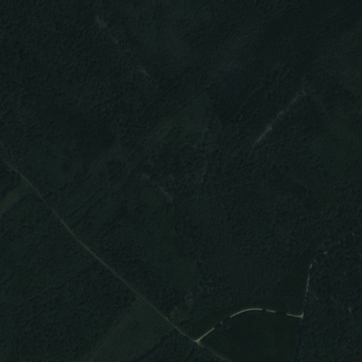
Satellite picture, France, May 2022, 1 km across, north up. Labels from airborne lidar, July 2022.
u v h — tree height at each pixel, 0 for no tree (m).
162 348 18
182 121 21
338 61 21
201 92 17
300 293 9
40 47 27
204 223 34
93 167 17
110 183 17
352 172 13
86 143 29
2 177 28
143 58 27
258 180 25
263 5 27
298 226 29
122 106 30
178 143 14
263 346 10
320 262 24
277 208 31
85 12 26
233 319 9
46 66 23
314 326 28
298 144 23
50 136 27
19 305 19
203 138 25
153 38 21
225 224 32
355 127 20
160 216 14
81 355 16
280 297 18
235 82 23
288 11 20
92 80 19
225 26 19
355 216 25
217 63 20
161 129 22
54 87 15
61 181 12
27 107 29
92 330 23
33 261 14
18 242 18
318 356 26
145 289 22
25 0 30
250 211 33
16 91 25
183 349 21
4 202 0
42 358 23
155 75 29
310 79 29
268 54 21
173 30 23
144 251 11
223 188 32
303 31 19
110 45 26
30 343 29
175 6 21
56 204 27
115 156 22
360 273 27
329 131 22
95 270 26
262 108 29
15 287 20
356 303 36
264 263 26
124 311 16
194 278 13
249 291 17
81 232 28
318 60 21
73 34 31
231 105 27
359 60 19
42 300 24
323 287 27
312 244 26
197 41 20
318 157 15
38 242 20
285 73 23
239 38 20
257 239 21
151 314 0
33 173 27
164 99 26
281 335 10
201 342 8
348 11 27
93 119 20
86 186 17
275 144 18
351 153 11
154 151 26
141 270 29
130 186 21
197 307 28
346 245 26
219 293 26
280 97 24
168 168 27
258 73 25
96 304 25
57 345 30
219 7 19
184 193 31
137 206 26
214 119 21
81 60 16
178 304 27
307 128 30
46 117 27
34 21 25
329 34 22
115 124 17
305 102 29
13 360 21
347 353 28
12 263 15
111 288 23
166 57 17
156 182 23
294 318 9
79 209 21
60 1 21
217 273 32
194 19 24
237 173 30
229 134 27
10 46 17
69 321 23
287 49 22
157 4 21
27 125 24
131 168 20
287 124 29
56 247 14
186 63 20
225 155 27
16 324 15
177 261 11
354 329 26
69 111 30
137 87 25
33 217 29
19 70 27
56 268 10
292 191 33
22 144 20
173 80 27
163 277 13
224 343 8
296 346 11
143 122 19
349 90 16
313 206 31
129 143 21
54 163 21
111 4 26
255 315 10
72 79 25
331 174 17
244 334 9
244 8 24
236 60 22
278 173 32
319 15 20
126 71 26
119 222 27
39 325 31
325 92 27
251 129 26
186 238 27
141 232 15
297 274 8
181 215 28
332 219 26
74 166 23
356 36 23
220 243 33
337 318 26
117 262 29
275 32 20
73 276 13
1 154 23
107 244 28
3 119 25
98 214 22
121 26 27
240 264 31
